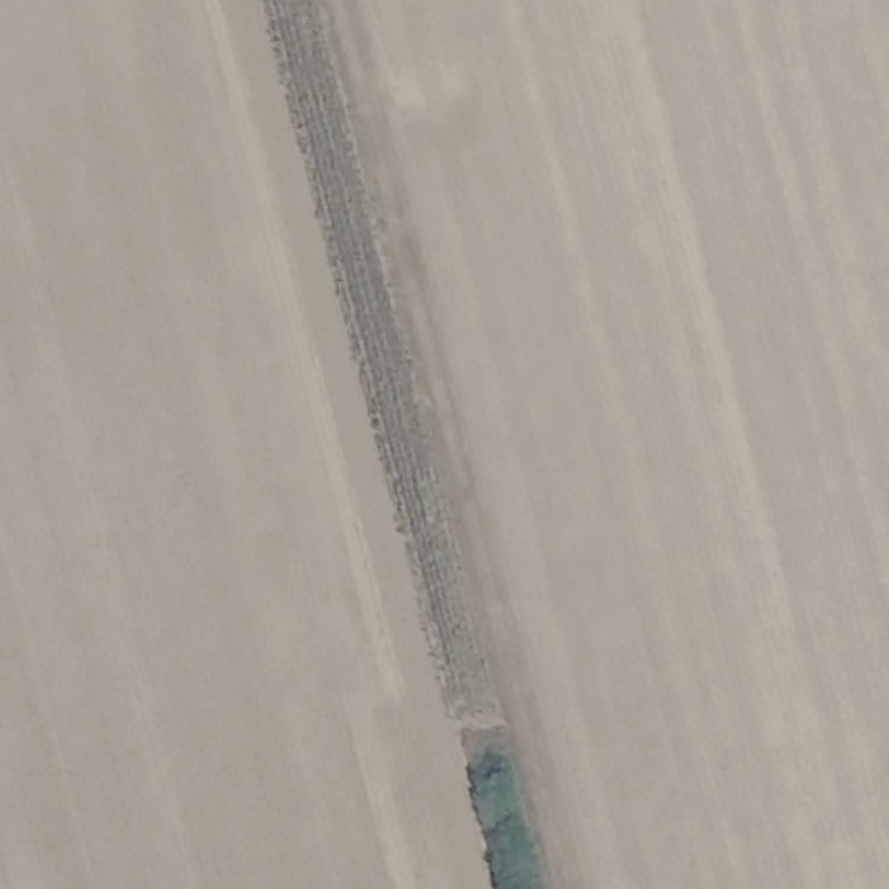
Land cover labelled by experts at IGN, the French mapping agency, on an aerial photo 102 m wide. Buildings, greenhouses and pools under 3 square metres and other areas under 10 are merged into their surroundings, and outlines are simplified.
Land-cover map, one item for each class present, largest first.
<instances>
[{"label":"agricultural land","instance_id":"1","mask_svg":"<svg viewBox=\"0 0 889 889\"><path fill-rule=\"evenodd\" d=\"M483 754H504L514 771L521 820L542 858V889H889V0H0V889H486V840L472 813L465 774L469 764Z\"/></svg>","mask_w":889,"mask_h":889},{"label":"deciduous trees","instance_id":"2","mask_svg":"<svg viewBox=\"0 0 889 889\"><path fill-rule=\"evenodd\" d=\"M465 774L472 813L486 840V889H542V858L521 820L514 771L504 754H483L469 764Z\"/></svg>","mask_w":889,"mask_h":889}]
</instances>
